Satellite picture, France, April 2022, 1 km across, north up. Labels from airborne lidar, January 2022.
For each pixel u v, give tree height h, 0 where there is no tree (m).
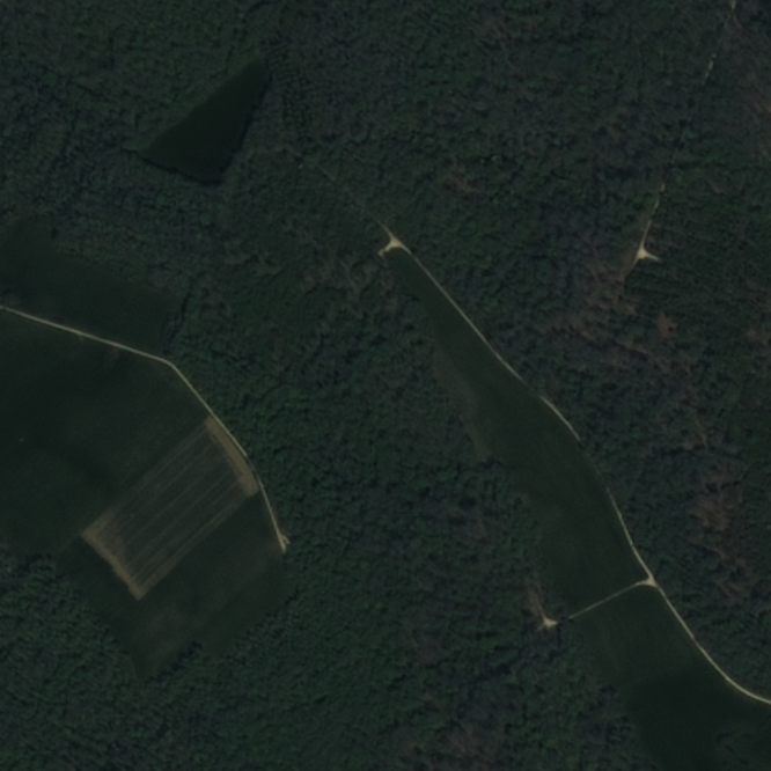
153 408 0
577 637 17
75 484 0
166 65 23
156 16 21
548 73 32
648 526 23
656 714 0
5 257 0
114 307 0
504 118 31
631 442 30
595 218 23
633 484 26
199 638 0
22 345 0
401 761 24
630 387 31
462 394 0
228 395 23
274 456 22
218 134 0
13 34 27
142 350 0
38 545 0
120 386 0
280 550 0
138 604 0
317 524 23
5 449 0
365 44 23
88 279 0
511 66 32
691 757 0
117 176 28
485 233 27
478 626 30
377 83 19
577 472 0
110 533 0
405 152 22
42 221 5
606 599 0
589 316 31
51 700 26
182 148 0
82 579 0
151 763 22
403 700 20
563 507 0
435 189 26
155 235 26
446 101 24
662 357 28
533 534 15
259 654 23
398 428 23
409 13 23
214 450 0
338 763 24
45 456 0
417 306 20
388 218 23
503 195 18
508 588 26
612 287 23
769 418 11
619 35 32
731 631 23
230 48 25
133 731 22
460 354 0
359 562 21
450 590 25
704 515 32
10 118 25
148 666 0
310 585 19
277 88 19
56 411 0
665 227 7
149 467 0
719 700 0
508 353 25
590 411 27
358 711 24
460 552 24
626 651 0
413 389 22
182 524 0
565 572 0
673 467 29
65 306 0
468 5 24
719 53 30
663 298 8
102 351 0
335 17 25
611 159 35
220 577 0
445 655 29
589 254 30
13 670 28
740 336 8
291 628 20
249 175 20
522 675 29
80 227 25
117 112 26
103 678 27
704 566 25
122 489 0
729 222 8
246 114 0
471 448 25
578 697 24
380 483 24
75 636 22
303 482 8
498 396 0
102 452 0
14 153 22
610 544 0
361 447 26
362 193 25
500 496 24
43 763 26
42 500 0
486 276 32
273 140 26
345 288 25
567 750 23
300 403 23
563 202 24
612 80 30
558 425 0
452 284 26
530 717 23
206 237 25
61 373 0
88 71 28
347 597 18
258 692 25
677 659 0
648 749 0
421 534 24
